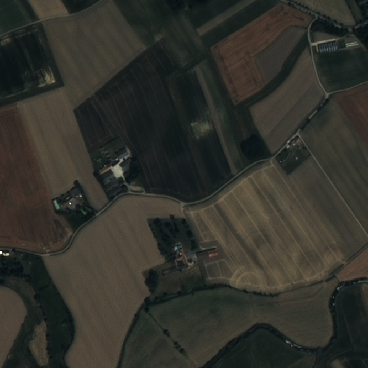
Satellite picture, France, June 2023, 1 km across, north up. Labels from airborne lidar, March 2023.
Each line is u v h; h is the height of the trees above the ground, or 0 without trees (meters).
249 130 0
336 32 13
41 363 0
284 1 0
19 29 0
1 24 0
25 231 0
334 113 0
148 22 0
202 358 0
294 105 0
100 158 0
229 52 0
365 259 0
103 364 0
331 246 0
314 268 0
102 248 0
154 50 0
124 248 0
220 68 0
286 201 0
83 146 0
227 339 0
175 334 0
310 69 0
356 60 0
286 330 0
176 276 0
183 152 0
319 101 0
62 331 0
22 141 0
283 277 0
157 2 0
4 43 0
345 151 0
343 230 0
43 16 0
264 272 0
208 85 0
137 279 0
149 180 0
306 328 0
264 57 0
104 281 0
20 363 0
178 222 0
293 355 0
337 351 0
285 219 0
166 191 0
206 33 0
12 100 0
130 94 0
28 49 0
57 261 0
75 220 0
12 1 0
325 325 0
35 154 0
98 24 0
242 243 0
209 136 0
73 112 0
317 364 0
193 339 0
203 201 0
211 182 0
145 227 0
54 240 0
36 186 0
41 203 0
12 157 0
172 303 0
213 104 0
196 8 0
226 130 0
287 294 0
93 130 0
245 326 0
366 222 0
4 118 0
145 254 0
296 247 0
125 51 0
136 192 0
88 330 0
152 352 0
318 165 0
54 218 0
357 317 0
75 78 0
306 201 0
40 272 0
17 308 0
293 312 0
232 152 0
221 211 0
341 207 0
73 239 0
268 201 0
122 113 0
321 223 0
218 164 0
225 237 0
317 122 0
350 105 0
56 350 0
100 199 0
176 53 0
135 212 0
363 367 0
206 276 0
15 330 0
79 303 0
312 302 0
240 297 0
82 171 0
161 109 0
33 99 0
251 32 0
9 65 0
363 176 0
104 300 0
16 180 0
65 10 0
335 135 0
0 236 0
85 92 0
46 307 0
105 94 0
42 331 0
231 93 0
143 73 0
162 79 0
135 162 18
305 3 0
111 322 0
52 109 0
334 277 0
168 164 0
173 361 0
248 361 0
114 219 0
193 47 0
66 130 0
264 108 0
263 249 0
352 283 0
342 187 0
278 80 0
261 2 0
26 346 0
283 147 0
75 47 0
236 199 0
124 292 0
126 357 0
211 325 0
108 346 0
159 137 0
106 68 0
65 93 0
